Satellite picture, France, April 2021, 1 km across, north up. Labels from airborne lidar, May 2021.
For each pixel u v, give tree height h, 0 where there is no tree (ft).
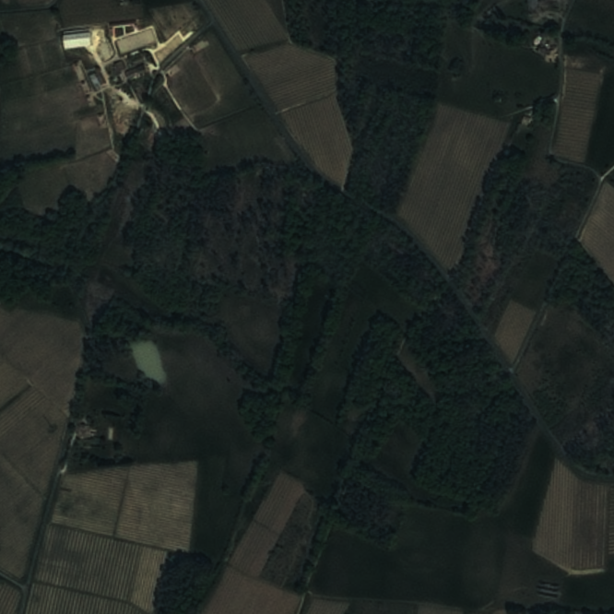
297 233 39
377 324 52
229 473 0
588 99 0
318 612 0
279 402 36
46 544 0
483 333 49
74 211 64
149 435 0
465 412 60
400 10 58
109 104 0
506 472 72
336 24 78
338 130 0
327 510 64
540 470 0
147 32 0
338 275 57
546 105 49
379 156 57
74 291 54
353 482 78
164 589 68
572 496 0
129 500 0
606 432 79
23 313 0
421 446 0
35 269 67
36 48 0
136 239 71
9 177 67
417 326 51
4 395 0
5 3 0
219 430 0
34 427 0
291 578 22
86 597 0
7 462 0
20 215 31
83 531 0
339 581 0
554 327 0
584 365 0
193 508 0
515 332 0
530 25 42
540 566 0
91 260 72
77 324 0
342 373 0
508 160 58
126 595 0
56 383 0
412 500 36
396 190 66
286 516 0
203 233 39
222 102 0
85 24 0
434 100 49
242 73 0
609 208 0
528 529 0
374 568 0
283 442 0
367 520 70
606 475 48
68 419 0
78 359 0
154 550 0
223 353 36
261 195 0
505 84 0
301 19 31
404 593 0
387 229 45
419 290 60
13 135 0
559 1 0
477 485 61
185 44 0
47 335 0
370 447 62
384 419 59
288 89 0
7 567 0
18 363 0
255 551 0
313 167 0
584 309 77
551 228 34
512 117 0
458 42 0
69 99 0
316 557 55
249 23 0
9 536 0
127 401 74
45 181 0
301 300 80
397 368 75
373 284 0
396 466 0
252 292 48
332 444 0
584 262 35
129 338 23
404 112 59
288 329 69
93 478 0
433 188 0
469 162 0
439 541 0
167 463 0
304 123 0
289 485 0
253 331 0
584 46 0
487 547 0
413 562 0
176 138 66
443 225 0
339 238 62
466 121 0
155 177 30
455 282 69
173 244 52
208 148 0
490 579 0
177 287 59
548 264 0
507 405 63
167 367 0
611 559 0
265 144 0
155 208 34
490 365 53
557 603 0
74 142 0
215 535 0
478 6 60
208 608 0
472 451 59
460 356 84
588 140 0
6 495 0
